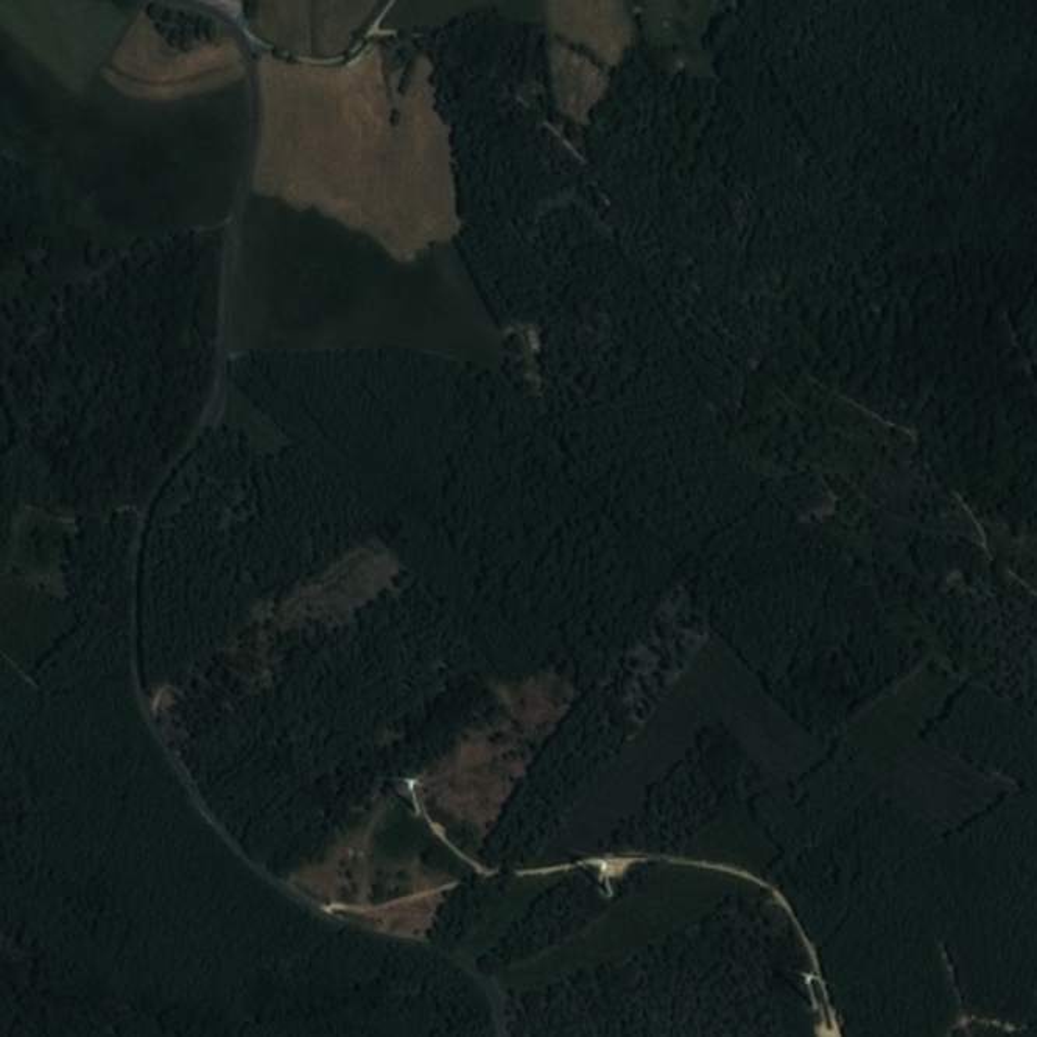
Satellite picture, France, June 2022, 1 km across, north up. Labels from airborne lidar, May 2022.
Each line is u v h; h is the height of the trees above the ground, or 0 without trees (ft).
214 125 0
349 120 0
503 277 55
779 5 78
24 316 59
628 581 76
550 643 33
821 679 61
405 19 0
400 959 53
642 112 42
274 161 0
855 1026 52
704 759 56
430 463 39
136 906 54
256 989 46
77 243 0
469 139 50
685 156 50
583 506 75
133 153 0
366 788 73
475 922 51
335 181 0
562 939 44
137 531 46
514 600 75
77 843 59
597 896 20
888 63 60
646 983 34
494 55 50
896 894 56
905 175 47
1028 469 50
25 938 74
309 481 79
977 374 58
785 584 79
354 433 47
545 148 54
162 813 52
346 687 70
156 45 0
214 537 68
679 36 0
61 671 94
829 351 58
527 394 42
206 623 68
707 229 62
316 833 73
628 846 54
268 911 60
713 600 86
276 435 0
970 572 78
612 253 52
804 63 50
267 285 0
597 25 0
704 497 52
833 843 64
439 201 0
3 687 31
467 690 66
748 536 92
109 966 56
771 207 60
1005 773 71
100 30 0
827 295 31
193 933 61
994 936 26
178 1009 47
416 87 0
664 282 73
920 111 58
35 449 70
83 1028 67
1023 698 47
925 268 63
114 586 72
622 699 74
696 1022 38
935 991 55
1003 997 36
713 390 81
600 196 60
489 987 0
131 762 64
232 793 85
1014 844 85
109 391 29
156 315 48
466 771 0
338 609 0
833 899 50
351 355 32
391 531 39
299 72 0
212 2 0
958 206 71
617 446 53
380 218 0
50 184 0
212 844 54
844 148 98
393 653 82
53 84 0
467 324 0
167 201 0
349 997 58
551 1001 51
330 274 0
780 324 31
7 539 74
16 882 55
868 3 44
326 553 76
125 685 57
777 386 47
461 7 0
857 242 55
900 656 55
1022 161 74
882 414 21
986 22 31
